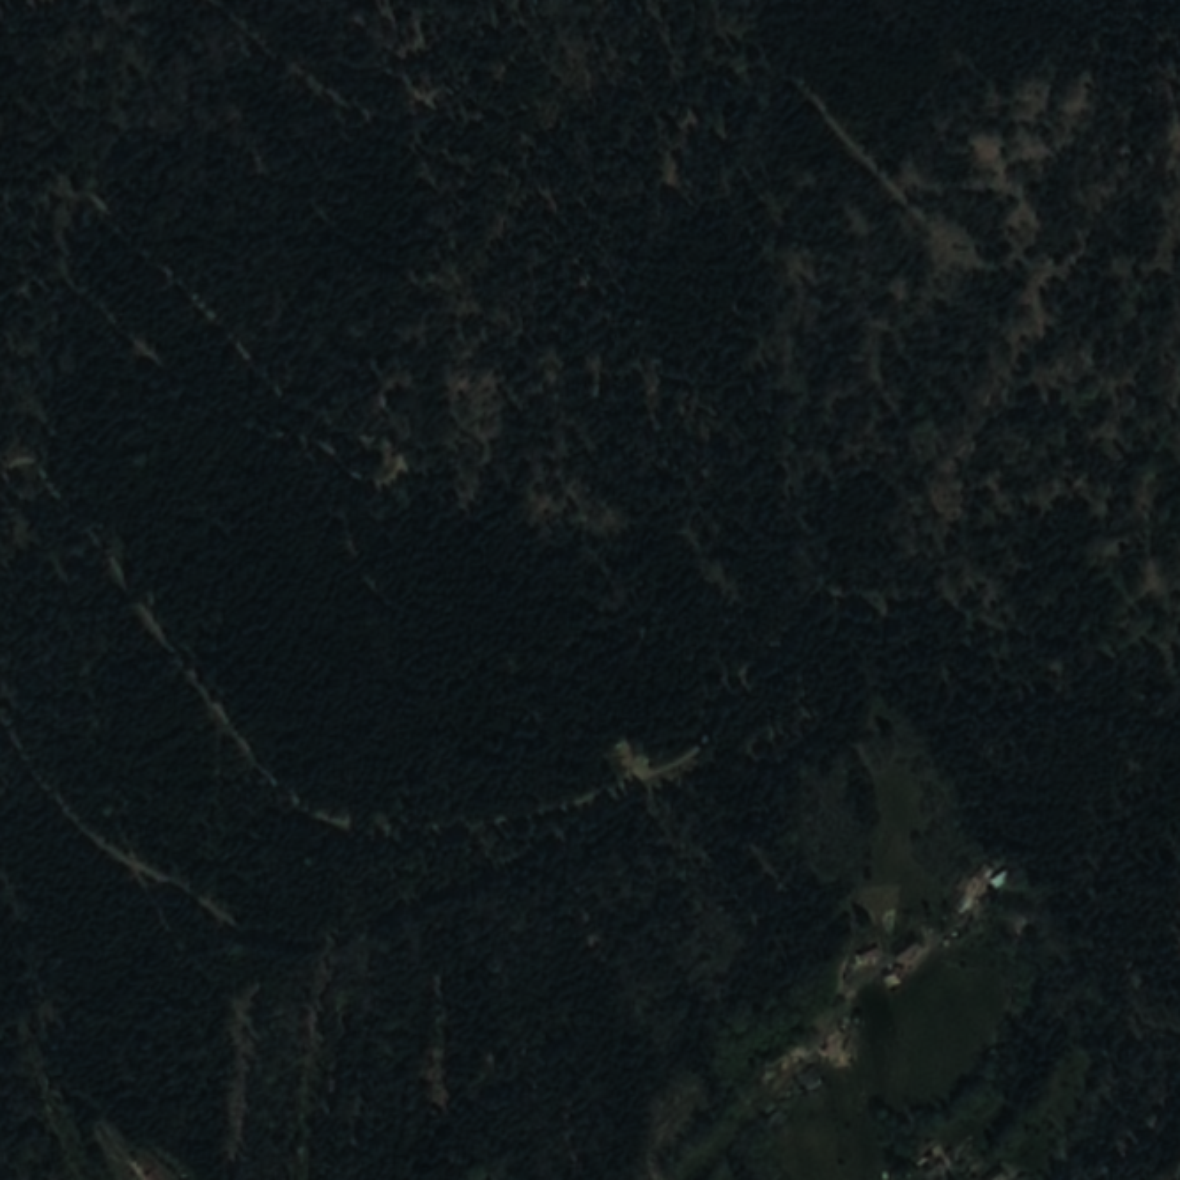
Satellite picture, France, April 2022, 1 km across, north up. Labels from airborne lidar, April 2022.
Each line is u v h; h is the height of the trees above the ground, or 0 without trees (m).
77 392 27
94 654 24
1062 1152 15
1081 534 16
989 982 0
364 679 21
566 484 18
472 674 18
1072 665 24
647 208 17
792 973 31
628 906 31
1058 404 26
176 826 6
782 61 27
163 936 23
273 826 12
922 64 12
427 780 28
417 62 19
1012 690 20
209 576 19
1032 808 29
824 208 13
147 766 14
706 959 34
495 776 22
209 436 20
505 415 14
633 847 26
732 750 10
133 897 24
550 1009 30
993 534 15
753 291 25
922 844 15
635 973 26
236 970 16
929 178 18
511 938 30
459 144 11
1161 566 12
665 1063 33
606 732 26
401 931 32
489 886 26
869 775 16
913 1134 23
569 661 19
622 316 34
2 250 26
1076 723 21
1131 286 14
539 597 27
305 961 22
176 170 20
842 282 16
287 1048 23
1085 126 15
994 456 9
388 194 19
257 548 11
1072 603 25
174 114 27
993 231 14
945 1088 0
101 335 27
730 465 31
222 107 28
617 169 17
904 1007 0
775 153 24
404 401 20
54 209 9
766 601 21
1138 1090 15
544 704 21
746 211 27
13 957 26
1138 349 27
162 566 16
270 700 21
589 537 19
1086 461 12
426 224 27
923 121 12
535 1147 33
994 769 18
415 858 28
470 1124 19
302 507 17
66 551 9
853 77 12
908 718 22
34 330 33
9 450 7
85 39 20
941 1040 0
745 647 19
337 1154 7
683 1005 31
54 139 26
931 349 12
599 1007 29
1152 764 12
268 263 13
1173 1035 20
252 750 8
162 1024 26
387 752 20
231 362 23
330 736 22
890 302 18
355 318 16
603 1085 30
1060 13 19
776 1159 11
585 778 24
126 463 25
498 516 27
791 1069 0
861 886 15
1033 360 11
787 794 34
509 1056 33
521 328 22
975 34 9
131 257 24
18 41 23
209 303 18
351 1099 26
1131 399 22
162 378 21
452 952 24
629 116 27
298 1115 25
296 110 15
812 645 25
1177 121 14
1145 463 20
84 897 28
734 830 26
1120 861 23
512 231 15
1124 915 26
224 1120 24
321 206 14
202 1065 22
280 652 19
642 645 29
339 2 14
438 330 20
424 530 23
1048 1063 23
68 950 32
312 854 20
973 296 20
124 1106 31
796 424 18
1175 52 15
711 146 34
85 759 20
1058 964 28
